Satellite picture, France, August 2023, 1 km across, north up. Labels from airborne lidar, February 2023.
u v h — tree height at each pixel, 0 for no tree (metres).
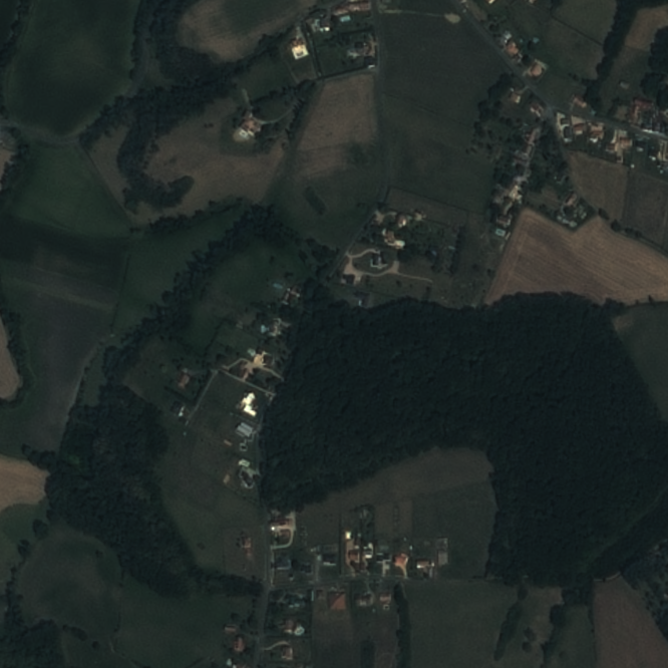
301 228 0
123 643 0
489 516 0
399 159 0
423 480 0
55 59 0
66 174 0
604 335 19
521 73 0
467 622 0
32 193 0
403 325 23
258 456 0
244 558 0
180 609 0
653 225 0
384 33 0
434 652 0
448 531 0
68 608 0
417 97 0
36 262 0
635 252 0
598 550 24
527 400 18
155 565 25
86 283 0
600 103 15
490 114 14
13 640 9
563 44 0
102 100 0
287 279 8
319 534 0
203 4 0
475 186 0
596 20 0
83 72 0
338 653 0
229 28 0
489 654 0
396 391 25
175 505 0
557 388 24
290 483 16
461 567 0
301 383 21
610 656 0
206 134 0
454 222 0
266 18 0
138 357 21
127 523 23
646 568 23
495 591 0
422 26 0
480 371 25
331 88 0
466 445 18
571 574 23
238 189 0
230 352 7
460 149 0
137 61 12
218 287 0
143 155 8
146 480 20
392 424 22
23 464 0
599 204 0
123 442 19
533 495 26
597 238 0
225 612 0
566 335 19
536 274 0
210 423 0
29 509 0
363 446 20
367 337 27
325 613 0
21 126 0
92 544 0
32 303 0
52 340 0
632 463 17
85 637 9
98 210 0
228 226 0
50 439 0
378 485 0
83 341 0
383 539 0
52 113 0
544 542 23
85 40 0
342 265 0
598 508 28
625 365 19
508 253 0
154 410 8
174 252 0
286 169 0
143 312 0
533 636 14
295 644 0
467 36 0
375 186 0
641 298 0
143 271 0
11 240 0
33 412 0
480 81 0
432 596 0
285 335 11
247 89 0
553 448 26
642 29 0
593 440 24
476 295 0
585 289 0
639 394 21
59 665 13
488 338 22
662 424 15
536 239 0
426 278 0
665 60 22
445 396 25
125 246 0
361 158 0
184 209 0
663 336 0
